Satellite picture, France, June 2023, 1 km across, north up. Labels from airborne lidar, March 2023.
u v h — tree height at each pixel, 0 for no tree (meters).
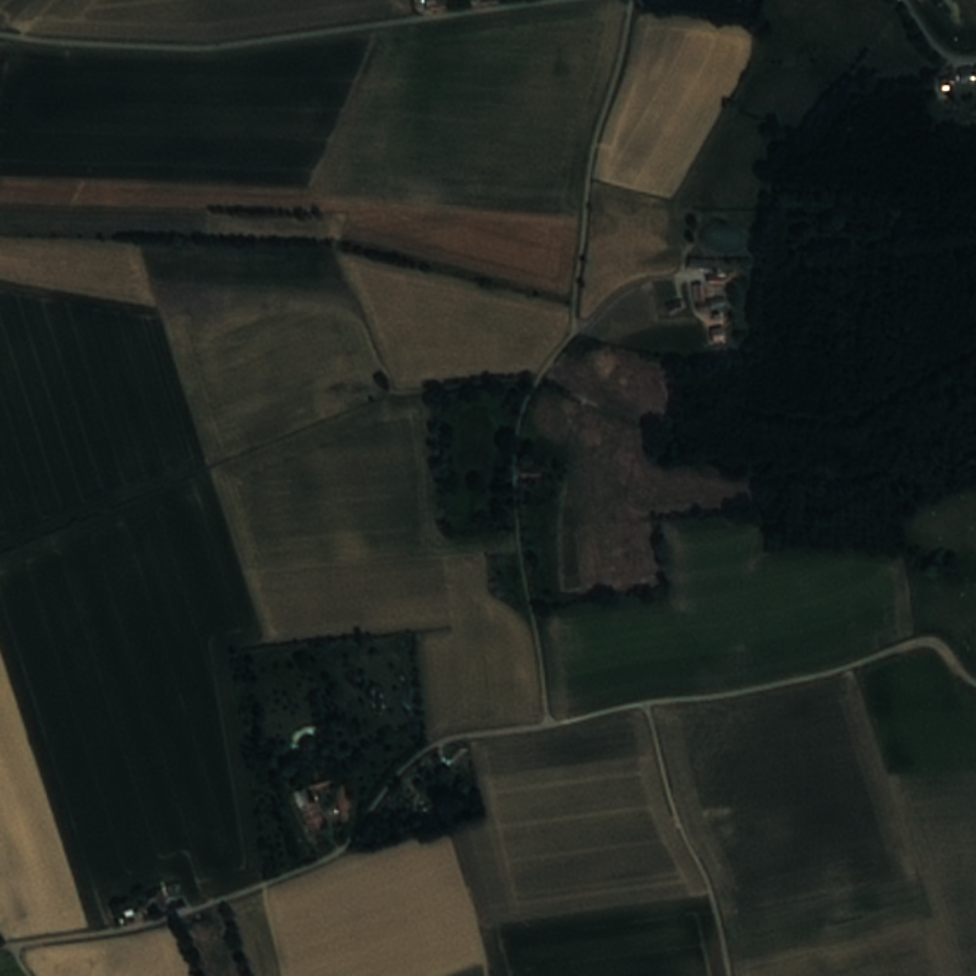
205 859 0
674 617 0
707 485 0
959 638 0
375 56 0
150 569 0
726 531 0
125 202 0
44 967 0
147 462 0
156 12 0
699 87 0
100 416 0
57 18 0
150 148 0
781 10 0
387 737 10
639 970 0
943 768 0
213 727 0
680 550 0
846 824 0
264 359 0
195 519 0
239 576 0
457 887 0
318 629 0
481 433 0
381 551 0
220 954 0
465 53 0
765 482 26
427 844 0
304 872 0
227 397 0
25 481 0
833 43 0
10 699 0
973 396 24
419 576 0
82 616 0
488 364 0
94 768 0
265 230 0
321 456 0
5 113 0
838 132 14
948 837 0
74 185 0
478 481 15
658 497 0
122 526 0
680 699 0
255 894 0
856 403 15
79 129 0
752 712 0
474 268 0
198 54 0
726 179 0
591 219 0
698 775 0
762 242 24
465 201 0
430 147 0
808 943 0
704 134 0
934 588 0
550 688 0
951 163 15
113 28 0
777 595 0
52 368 0
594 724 0
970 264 15
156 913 12
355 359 0
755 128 0
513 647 0
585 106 0
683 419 20
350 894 0
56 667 0
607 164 0
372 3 0
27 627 0
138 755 0
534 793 0
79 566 0
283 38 0
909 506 17
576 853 0
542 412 0
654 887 0
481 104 0
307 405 0
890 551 11
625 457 0
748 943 0
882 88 12
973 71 0
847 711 0
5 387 0
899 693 0
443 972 0
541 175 0
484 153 0
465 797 20
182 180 0
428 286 0
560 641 0
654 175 0
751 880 0
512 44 0
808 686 0
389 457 0
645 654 0
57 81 0
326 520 0
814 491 21
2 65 0
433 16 0
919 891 0
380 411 0
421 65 0
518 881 0
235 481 0
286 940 0
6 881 0
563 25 0
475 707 0
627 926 0
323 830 11
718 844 0
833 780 0
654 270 0
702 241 0
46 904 0
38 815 0
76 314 0
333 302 0
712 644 0
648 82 0
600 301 0
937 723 0
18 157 0
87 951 0
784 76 0
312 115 0
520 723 0
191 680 0
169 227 0
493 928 0
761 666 0
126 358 0
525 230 0
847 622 0
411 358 0
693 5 22
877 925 0
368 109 0
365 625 0
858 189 14
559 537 0
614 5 0
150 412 0
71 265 0
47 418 0
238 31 0
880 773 0
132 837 0
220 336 0
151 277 0
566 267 0
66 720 0
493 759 0
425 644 0
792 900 0
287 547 0
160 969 0
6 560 0
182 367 0
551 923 0
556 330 0
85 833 0
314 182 0
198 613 0
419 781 8
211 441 0
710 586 0
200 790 0
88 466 0
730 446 25
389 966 0
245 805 0
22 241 0
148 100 0
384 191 0
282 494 0
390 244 0
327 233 0
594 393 0
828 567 0
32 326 0
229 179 0
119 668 0
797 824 0
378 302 0
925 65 0
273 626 0
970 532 0
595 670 0
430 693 0
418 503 0
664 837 0
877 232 18
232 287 0
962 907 0
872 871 0
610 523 0
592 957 0
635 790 0
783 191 14
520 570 0
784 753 0
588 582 0
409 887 0
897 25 0
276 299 0
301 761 20
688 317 0
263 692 0
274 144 0
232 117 0
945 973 0
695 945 0
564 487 0
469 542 0
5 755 0
